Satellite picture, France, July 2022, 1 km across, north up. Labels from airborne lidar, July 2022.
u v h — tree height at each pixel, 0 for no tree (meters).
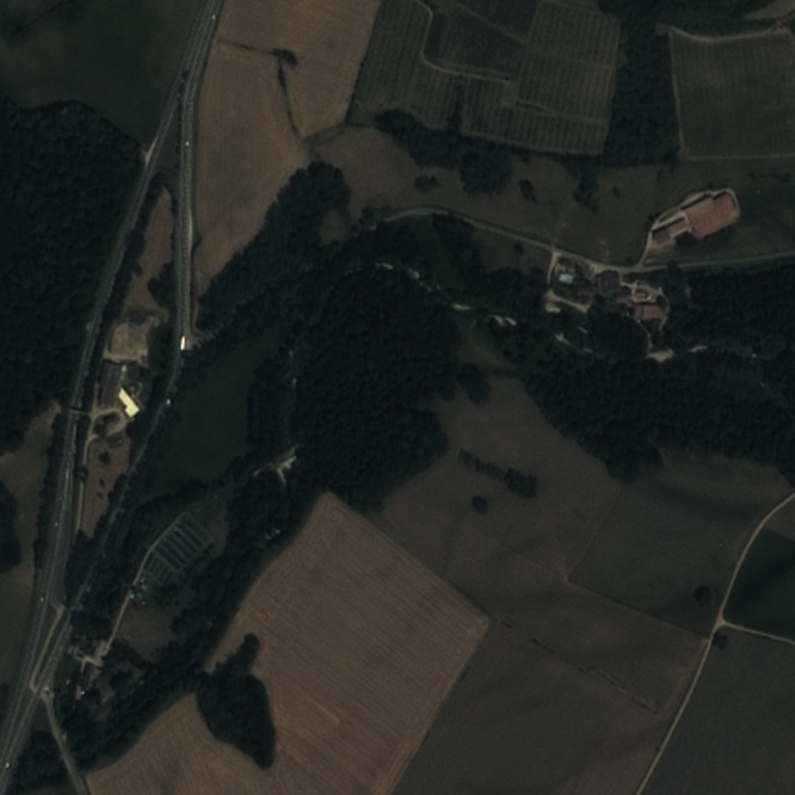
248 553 21
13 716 0
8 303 25
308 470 15
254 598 0
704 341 15
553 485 0
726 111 0
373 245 19
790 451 20
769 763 0
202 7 0
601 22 0
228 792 0
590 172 21
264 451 38
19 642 0
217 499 0
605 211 0
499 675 0
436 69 0
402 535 0
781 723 0
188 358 18
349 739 0
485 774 0
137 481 19
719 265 0
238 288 23
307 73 0
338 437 16
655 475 0
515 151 12
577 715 0
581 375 22
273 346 0
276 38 0
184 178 0
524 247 11
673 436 22
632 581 0
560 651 0
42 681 0
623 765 0
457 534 0
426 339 27
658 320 7
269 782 0
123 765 0
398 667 0
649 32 6
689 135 0
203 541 0
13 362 23
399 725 0
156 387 12
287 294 29
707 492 0
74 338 18
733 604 0
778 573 0
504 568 0
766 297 24
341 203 8
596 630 0
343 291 11
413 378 24
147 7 0
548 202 0
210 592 17
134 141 12
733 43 0
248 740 21
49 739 24
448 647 0
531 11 0
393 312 24
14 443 16
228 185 0
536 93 0
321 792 0
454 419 0
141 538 17
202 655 6
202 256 0
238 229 0
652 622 0
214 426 0
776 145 0
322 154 0
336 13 0
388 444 21
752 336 18
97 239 26
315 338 21
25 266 26
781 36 0
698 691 0
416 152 18
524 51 0
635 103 8
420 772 0
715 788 0
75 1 9
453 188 0
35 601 0
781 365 13
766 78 0
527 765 0
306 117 0
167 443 20
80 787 0
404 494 0
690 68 0
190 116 0
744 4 15
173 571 0
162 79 0
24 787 15
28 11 0
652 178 0
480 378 21
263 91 0
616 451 23
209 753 0
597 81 0
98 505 0
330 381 22
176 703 0
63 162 28
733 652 0
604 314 31
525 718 0
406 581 0
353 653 0
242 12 0
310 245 27
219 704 33
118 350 0
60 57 0
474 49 0
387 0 0
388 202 0
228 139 0
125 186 22
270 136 0
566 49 0
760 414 10
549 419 15
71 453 0
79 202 25
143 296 0
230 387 0
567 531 0
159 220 0
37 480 0
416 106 0
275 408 39
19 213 12
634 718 0
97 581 18
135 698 9
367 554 0
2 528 19
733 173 0
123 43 0
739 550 0
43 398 24
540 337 20
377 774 0
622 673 0
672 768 0
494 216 0
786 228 0
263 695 22
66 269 23
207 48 0
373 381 24
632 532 0
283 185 0
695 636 0
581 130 0
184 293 0
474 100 0
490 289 15
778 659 0
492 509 0
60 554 0
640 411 16
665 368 17
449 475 0
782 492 0
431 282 16
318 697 0
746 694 0
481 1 0
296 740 0
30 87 0
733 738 0
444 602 0
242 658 17
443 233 21
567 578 0
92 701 15
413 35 0
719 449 20
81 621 21
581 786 0
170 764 0
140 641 0
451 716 0
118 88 0
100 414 0
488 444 0
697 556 0
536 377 18
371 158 0
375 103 0
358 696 0
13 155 25
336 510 0
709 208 0
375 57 0
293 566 0
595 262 0
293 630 0
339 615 0
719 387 6
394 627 0
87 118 23
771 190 0
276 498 31
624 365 17
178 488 0
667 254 0
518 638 0
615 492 0
